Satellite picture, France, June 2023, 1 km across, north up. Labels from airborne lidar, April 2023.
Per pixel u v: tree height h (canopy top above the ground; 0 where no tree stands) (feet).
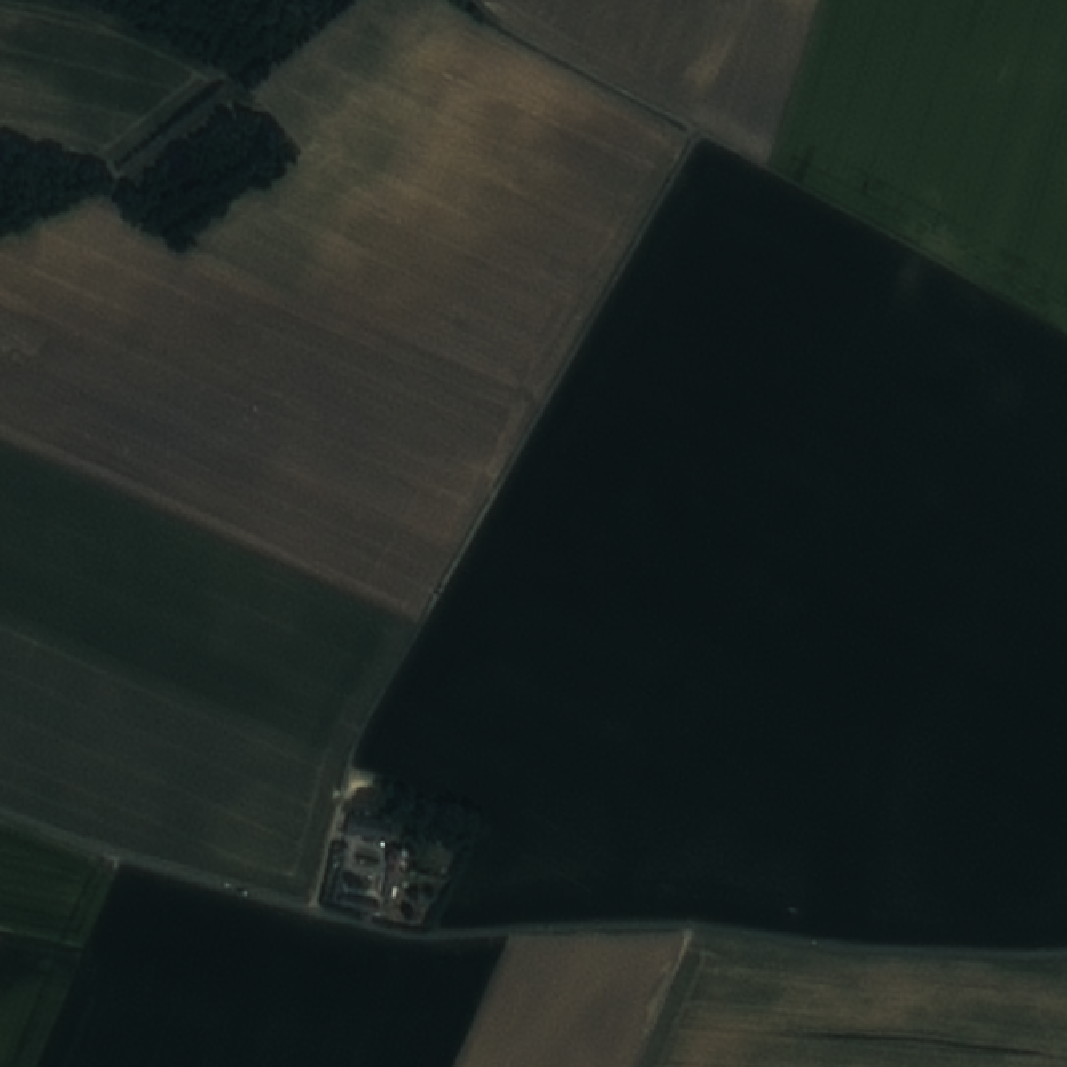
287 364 0
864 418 0
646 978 0
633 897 0
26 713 0
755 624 0
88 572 0
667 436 0
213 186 70
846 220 0
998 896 0
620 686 0
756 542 0
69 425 0
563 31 0
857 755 0
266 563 0
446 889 20
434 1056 0
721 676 0
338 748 0
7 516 0
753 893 0
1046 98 0
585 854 0
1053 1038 0
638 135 0
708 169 0
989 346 0
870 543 0
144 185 20
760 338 0
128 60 0
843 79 0
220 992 0
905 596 0
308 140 0
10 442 0
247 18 81
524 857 0
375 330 0
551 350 0
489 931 0
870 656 0
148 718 0
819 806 0
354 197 0
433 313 0
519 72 0
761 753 0
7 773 0
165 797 0
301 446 0
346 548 0
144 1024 0
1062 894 0
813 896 0
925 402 0
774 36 0
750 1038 0
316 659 0
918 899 0
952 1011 0
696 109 0
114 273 0
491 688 0
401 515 0
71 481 0
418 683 0
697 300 0
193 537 0
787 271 0
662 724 0
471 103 0
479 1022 0
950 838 0
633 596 0
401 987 0
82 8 0
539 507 0
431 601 0
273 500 0
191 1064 0
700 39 0
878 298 0
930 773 0
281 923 0
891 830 0
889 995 0
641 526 0
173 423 0
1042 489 0
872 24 0
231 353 0
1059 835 0
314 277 0
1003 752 0
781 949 0
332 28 0
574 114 0
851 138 0
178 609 0
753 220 0
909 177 0
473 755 0
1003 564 0
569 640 0
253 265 0
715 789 0
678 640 0
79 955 0
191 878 0
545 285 0
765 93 0
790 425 0
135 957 0
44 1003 0
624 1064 0
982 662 0
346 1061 0
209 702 0
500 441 0
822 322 0
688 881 0
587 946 0
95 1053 0
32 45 0
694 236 0
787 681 0
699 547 0
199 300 0
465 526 0
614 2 0
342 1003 0
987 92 0
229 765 0
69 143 0
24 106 0
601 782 0
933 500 0
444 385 0
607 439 0
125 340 0
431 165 0
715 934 0
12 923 0
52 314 0
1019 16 0
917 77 0
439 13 0
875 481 0
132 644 0
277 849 0
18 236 0
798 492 0
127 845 0
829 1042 0
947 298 0
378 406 0
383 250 0
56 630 0
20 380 0
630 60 0
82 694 0
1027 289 0
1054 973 0
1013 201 0
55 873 0
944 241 0
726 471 0
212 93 26
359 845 0
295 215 0
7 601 0
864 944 0
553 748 0
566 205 0
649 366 0
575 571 0
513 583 0
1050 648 0
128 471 0
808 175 0
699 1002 0
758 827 0
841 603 0
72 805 0
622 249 0
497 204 0
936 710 0
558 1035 0
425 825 59
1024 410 0
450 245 0
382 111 0
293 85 0
